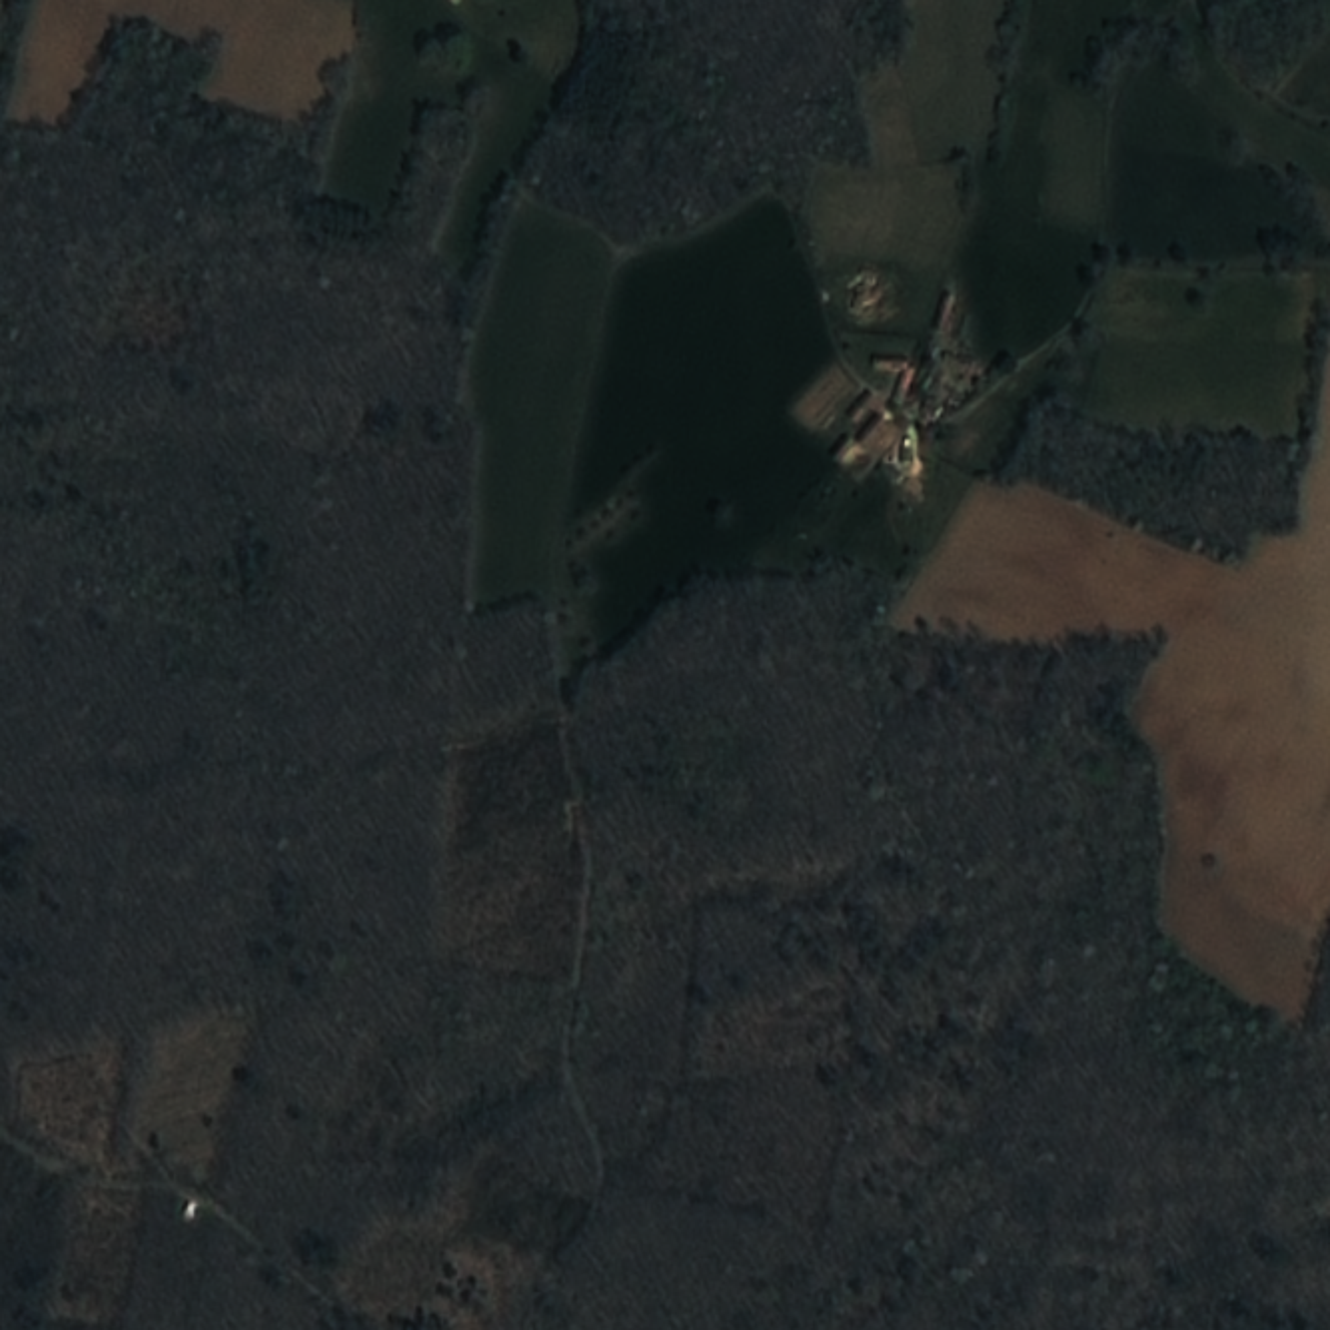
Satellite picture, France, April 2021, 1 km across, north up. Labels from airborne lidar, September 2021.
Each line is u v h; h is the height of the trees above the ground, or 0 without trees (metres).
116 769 17
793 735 21
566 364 0
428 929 19
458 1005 18
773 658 24
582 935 13
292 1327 17
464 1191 6
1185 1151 22
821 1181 11
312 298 17
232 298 15
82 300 17
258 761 18
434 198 17
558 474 0
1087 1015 22
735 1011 21
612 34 21
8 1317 12
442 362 17
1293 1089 20
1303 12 19
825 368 0
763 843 19
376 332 17
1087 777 23
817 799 22
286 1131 19
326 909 19
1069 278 0
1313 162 0
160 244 18
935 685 8
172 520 17
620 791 17
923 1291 14
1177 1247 20
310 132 15
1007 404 0
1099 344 10
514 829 6
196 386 17
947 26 0
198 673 18
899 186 0
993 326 0
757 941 20
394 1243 7
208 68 14
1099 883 15
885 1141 17
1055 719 21
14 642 19
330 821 18
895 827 17
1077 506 14
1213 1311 15
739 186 16
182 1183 16
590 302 0
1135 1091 20
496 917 6
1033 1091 19
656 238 13
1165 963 16
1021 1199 17
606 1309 20
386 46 0
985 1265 20
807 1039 10
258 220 24
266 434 18
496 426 0
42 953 20
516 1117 21
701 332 0
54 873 18
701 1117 13
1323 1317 21
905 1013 24
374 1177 16
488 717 18
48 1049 19
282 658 18
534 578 0
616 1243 21
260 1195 19
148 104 20
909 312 0
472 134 16
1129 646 16
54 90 0
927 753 20
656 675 18
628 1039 13
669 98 20
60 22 0
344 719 20
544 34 0
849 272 0
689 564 0
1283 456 17
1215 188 0
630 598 0
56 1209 13
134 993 16
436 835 23
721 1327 20
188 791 19
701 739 13
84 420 18
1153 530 17
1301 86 0
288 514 15
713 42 21
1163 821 17
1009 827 17
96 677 20
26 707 19
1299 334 0
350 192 0
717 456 0
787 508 0
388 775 20
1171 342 0
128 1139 15
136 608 18
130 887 17
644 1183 13
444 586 19
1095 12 0
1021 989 20
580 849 8
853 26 18
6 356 17
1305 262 19
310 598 18
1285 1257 21
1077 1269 16
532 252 0
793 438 0
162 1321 14
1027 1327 24
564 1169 20
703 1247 20
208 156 18
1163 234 0
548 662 22
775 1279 17
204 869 21
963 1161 18
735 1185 12
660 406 0
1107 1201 18
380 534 17
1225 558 16
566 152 22
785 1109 10
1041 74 0
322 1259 27
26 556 19
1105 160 0
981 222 0
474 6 0
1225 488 27
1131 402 0
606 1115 12
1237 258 0
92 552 16
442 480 17
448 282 19
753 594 25
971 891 19
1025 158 0
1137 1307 12
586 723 16
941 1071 22
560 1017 18
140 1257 11
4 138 18
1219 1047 20
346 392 17
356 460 12
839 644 22
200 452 16
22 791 18
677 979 12
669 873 12
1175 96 0
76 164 18
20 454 15
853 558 0
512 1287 23
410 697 21
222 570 13
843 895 16
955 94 0
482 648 20
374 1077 8
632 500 8
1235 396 0
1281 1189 20
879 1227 15
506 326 0
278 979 20
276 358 18
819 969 22
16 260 19
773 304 0
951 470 0
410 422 20
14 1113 7
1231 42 25
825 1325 12
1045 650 14
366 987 21
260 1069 18
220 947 19
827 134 18
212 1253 16
